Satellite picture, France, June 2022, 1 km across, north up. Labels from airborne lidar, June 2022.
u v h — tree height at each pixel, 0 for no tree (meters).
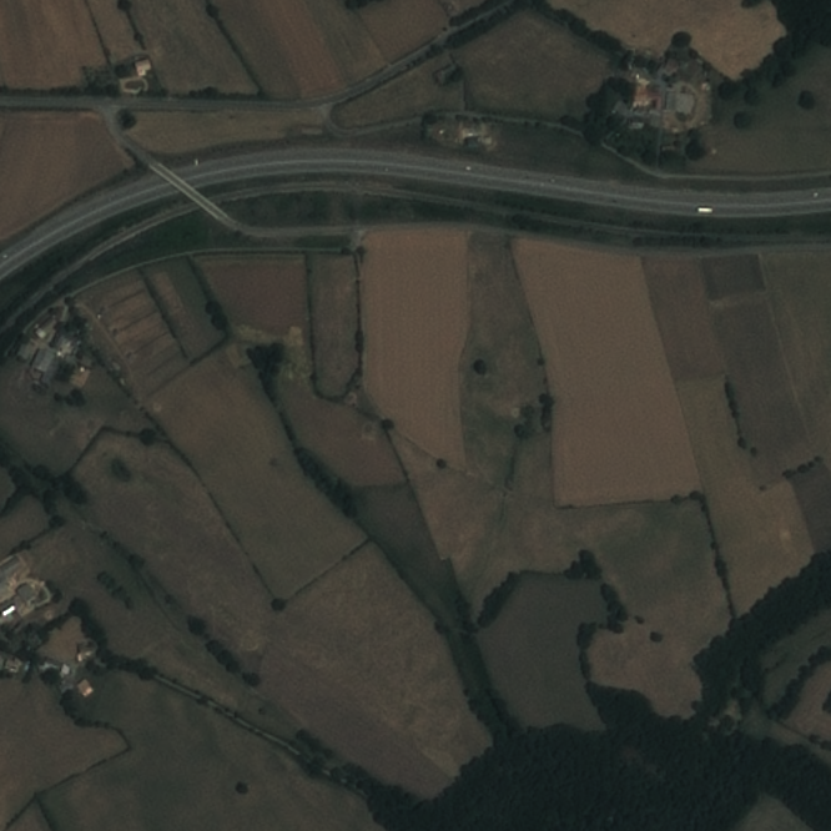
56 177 0
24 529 0
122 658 10
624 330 0
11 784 0
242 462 0
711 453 0
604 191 0
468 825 7
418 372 0
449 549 0
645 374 0
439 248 0
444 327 0
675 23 0
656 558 0
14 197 0
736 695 21
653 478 0
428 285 0
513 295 0
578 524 0
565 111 0
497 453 0
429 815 14
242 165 0
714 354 0
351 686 0
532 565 0
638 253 0
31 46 0
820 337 0
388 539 0
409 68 8
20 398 0
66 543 0
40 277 7
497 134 0
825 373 0
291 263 0
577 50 0
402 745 0
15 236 0
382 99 0
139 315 0
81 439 0
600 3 0
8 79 0
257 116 0
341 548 0
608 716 11
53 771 0
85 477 0
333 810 0
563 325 0
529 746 18
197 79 0
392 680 0
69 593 0
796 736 0
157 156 0
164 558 0
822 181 0
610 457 0
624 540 0
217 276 0
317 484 8
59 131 0
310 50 0
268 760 0
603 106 17
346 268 0
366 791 12
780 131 0
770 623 19
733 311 0
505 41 0
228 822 0
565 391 0
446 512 0
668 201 0
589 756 19
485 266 0
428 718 0
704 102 0
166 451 0
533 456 0
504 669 0
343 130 0
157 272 0
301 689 0
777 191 0
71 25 0
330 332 0
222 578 0
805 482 0
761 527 0
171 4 0
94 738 0
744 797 13
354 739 0
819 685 0
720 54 0
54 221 0
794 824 0
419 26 0
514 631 0
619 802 25
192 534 0
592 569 14
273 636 0
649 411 0
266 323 0
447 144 0
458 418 0
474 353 0
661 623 0
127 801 0
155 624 0
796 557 0
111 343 0
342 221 0
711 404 0
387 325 0
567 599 0
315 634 0
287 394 0
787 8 7
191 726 0
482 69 0
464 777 13
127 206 0
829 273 0
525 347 0
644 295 0
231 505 0
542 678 0
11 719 0
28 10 0
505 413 0
